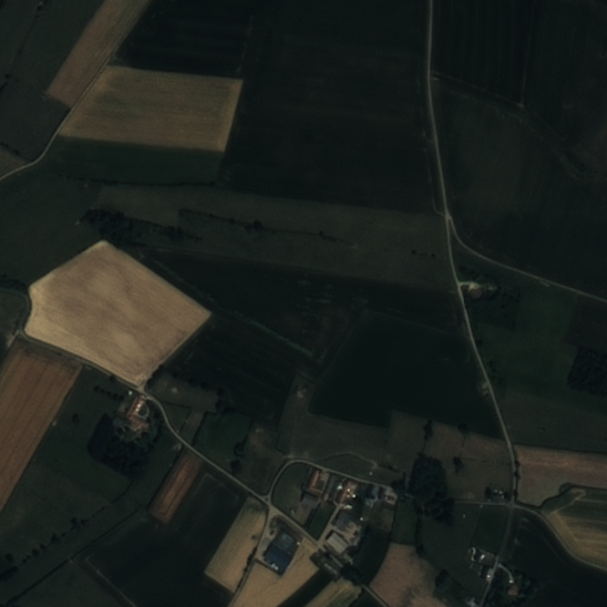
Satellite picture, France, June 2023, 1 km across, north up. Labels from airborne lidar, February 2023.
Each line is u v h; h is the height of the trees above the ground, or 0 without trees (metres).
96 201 0
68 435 0
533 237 0
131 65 0
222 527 0
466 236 0
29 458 0
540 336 0
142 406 0
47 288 0
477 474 0
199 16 0
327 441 0
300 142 0
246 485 0
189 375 0
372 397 0
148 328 0
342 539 0
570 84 0
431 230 0
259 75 0
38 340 0
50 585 0
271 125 0
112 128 0
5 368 0
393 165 0
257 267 0
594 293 0
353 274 0
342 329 0
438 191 0
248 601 0
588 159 0
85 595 0
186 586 0
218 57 0
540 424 0
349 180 0
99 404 0
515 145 0
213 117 0
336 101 0
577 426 0
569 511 0
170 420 0
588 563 0
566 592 0
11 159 0
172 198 0
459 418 0
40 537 0
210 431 0
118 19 0
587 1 0
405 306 0
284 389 0
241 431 0
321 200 0
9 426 0
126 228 21
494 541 0
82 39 0
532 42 0
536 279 0
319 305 0
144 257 0
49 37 0
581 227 0
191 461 0
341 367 0
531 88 0
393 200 0
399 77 0
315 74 0
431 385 0
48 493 0
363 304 0
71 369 0
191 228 0
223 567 0
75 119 0
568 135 0
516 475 9
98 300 0
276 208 0
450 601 0
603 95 0
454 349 0
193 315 0
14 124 0
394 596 0
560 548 0
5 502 0
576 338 0
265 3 0
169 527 0
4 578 11
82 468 0
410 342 0
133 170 0
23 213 0
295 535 0
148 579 0
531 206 0
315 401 0
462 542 0
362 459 0
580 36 0
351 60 0
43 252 0
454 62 0
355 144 0
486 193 0
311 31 0
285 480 0
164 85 0
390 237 0
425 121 0
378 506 0
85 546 0
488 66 0
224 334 0
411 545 0
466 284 0
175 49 0
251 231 14
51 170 0
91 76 0
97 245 0
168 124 0
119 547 0
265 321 0
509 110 0
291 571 0
